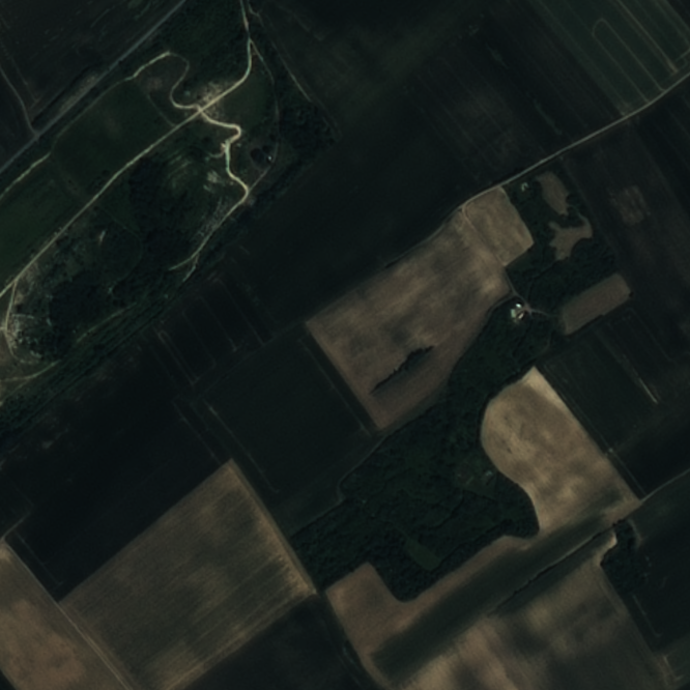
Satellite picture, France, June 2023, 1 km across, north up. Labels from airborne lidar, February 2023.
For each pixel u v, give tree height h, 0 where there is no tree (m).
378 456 8
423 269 0
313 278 0
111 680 0
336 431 0
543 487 0
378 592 0
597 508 0
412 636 0
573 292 6
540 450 0
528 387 0
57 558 0
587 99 0
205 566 0
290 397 0
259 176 0
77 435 0
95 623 0
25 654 0
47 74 0
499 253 0
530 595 0
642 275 0
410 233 0
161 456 0
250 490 0
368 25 0
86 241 0
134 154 0
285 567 0
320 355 0
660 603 0
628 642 0
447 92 0
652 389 0
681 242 0
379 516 8
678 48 0
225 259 0
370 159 0
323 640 0
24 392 0
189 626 0
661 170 0
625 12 0
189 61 0
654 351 0
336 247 0
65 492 0
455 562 6
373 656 0
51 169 0
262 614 0
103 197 0
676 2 0
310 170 0
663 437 0
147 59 0
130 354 0
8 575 0
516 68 0
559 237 0
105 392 0
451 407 8
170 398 0
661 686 0
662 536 0
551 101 0
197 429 0
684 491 0
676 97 0
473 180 0
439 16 0
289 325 0
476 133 0
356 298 0
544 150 0
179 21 6
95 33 0
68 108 0
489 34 0
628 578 8
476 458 0
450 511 5
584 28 0
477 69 0
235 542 0
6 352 0
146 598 0
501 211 0
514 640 0
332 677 0
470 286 0
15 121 0
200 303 0
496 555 0
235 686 0
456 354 0
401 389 0
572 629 0
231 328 0
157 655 0
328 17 0
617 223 0
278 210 0
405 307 0
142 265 8
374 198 0
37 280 0
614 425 0
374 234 0
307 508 0
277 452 0
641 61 0
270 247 0
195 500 0
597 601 0
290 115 13
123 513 0
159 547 0
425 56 0
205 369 0
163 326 0
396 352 0
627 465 0
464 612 0
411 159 0
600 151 0
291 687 0
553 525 0
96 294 20
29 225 0
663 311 0
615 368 0
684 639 0
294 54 0
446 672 0
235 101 0
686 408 0
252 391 0
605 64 0
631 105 0
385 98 0
